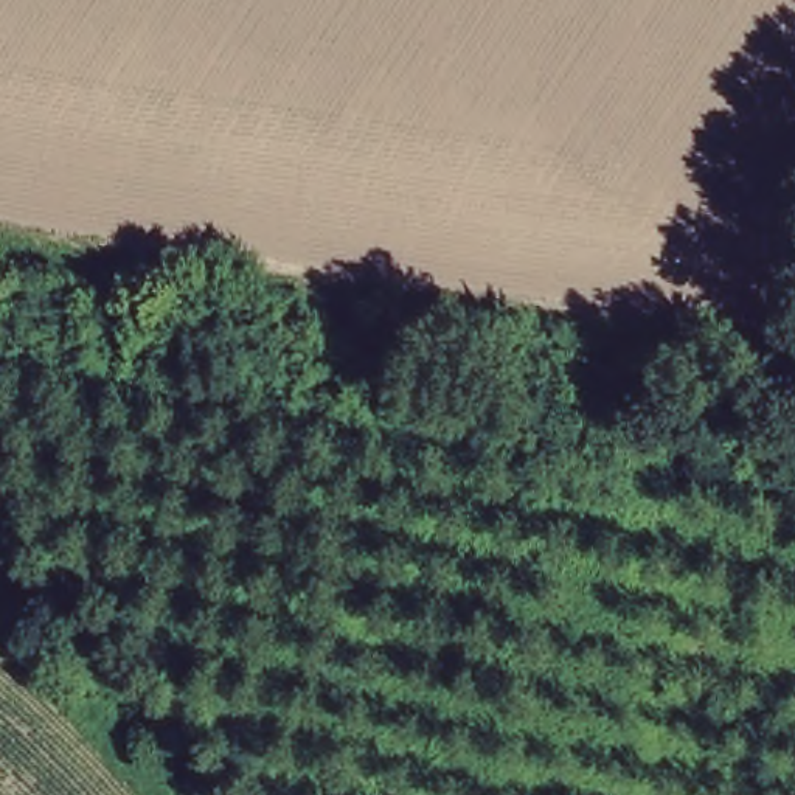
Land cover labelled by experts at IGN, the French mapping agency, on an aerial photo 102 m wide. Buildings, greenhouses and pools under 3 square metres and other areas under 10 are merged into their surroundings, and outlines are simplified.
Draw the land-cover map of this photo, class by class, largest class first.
<instances>
[{"label":"deciduous trees","instance_id":"1","mask_svg":"<svg viewBox=\"0 0 795 795\"><path fill-rule=\"evenodd\" d=\"M463 292L438 289L425 273H416V279L407 289H394L385 283L360 289L345 267H338L335 273H267L252 252H245L236 239L224 233L208 248H189L186 255L174 248V239L168 236L161 248V267H155L146 283H140L137 276L124 279L115 273V283L109 276H99L90 289L75 273L19 270L9 248L0 245V547L12 556L9 575L22 587L43 584L50 568H71L81 578L90 571L84 553L87 528L75 525L68 537H62L47 553L37 537L40 522L53 516L59 519L71 509L109 512L118 516V531H112L106 540V575L143 578V609L127 606L115 612V596L96 590L84 596L68 618L53 612L50 602L25 615L16 627L12 652L34 674L28 686L37 699L53 702L56 696H78L90 680H96L99 686L115 689V705L143 702L146 714L152 717H165L171 711V702L186 708L189 724H214L217 717L242 714L276 717L279 739L267 755H248L245 748L230 745L227 739L193 748L196 770L202 773L220 770L224 758L239 764V776L233 779V786L214 789L211 795H264L258 776H286L289 783L311 779L314 792L329 789L332 795H345L354 789L342 783V764H357L366 755L370 739L335 736L332 758H320L311 767L295 764V727L286 724L289 705H264L258 699L261 674L267 668H295L307 677L317 665L329 658L335 643L342 640L335 621L348 609L335 602V593L351 590L363 571L376 575L382 584L391 587L410 584L404 578V565L410 562V556L398 547H385L376 556L363 553L354 534L342 531L345 516L370 519L388 531H410L416 519L432 516V540L447 543L450 528H469V519L481 503H500L512 497L522 503L525 491L540 488L559 494L562 481H571L575 497L590 516L599 503H634L640 497L637 481L627 478H618L612 488L587 484V472L612 466L615 447H634L646 457L649 466H668L680 447L686 450L689 494L674 497V503L686 519H702L708 503L720 506L717 481H748L755 509L752 519H745V525L767 537L761 556H770L795 568V168L789 177V193L779 205L776 258L764 270L758 295V301L770 311V323L764 329L767 335L752 348L736 332V326L714 311L711 301L699 311L693 307L683 326H677L674 320H658L652 323V329L630 335L599 332L590 323H584L575 332L565 311H547L537 304H516L509 317L481 311L472 320L463 314ZM37 363H43V376L34 385L37 410L25 416L12 401L19 376L31 373ZM90 376H96L106 388L102 422L93 429L90 416L75 404L78 388ZM127 379L149 391L152 407L146 425L134 432L127 425V407L121 404V385ZM174 398L211 401L214 410L202 422V435H186L180 444H171V438L165 435ZM47 441H53L62 450L56 478L34 475V450ZM90 457H102L109 463V472L115 475L118 488H112L109 494L90 491ZM146 469L161 472L168 478L165 500L146 503L143 494L134 491V478ZM391 475H407V491H401L394 500H376L370 506L360 503L357 481ZM186 481L193 488H202L208 481V488L224 497L217 506L220 512L202 516L193 503H186ZM248 488L264 500H273V512L261 519L242 512L239 494ZM189 531H205L211 537V547L205 553V575L196 584V590L208 596V609L196 612V618L183 624L171 615L168 593L180 584V534ZM236 534L261 543L264 575L242 584V602L252 606L245 634L220 637V609L224 602H236V587L224 581L220 562L236 547ZM286 609L295 615L298 624L314 630V646L276 643V612ZM109 621L124 624V640L106 643L102 649L87 652L81 658L75 649V634H99L109 627ZM155 627L168 630L174 643L193 649V683L171 686L168 674L155 668V649L149 646ZM230 658L245 665V677L233 696L220 699L214 693L217 671ZM494 540L488 556H509L512 547L522 540L516 531V519H500L488 531ZM559 547H578V528H571L568 522L550 525V534H543V547L519 562L537 571V590L543 593L550 578L540 571V559L556 553ZM640 531L618 525L612 537H606V543L593 550V556H609L624 568L630 559H637L634 537ZM652 556L640 559V571L655 575V565L668 559L674 578L693 575L680 562L689 550V540H683L671 525H658L649 531ZM730 553H717L711 547L705 578L711 581V587H727ZM519 562L503 559L491 578H466L460 593L475 590L484 599L509 596V575ZM450 590L435 587L425 602V618L450 621ZM758 599H748L742 606V615H736L733 624L724 630V640L742 643L745 637L758 634ZM556 624L540 618L522 621L519 637L509 640L519 655H525L537 637H543ZM360 658L354 661V668L360 671V680L398 674L382 655L379 643H357ZM730 661H714L705 674L686 671V652L671 655L668 661V683L677 680L683 686L686 702H696L702 689L711 696L708 717L720 720L727 745L739 758L745 755L761 770V783L789 776L792 755H783V748L789 745V736L783 730L795 724V699H786L770 720L748 724L742 711L755 708L758 696L745 683L742 689L727 686ZM540 674L519 671L512 674L509 693L491 699V705L500 714H509L512 699L534 693V680ZM323 680L320 674L307 677L304 689H295L292 696V705L301 711L317 702ZM130 758L143 767L149 779H161L168 773L165 752L155 745L152 733H137L130 739ZM379 779V795H407L413 789L407 779L410 773L398 767L373 773Z\"/></svg>","mask_w":795,"mask_h":795},{"label":"plowed land","instance_id":"2","mask_svg":"<svg viewBox=\"0 0 795 795\"><path fill-rule=\"evenodd\" d=\"M795 168V0H0V224L19 227L31 239L34 252L43 242H62L75 255L84 248L109 245L112 236L127 224L143 230H161L168 236L174 239V248L186 255L189 248H208L224 233L236 239L245 252H252L267 273H335L338 267H345L360 289L385 283L394 289H407L416 279V273H425L438 289L463 292V314L472 320L481 311L509 317L516 304H537L547 311H565L575 332L584 323H590L599 332L630 335L652 329V323L658 320H674L677 326H683L693 307L699 311L711 301L714 311L736 326V332L752 348L767 335L764 329L770 323V311L758 301V295L764 270L776 258L779 205L789 193V177Z\"/></svg>","mask_w":795,"mask_h":795},{"label":"herbaceous vegetation","instance_id":"3","mask_svg":"<svg viewBox=\"0 0 795 795\"><path fill-rule=\"evenodd\" d=\"M168 236L161 230H143L127 224L112 236L109 245L84 248L75 255L62 242H43L34 252L31 239L19 227L0 224V245L9 248L19 270L75 273L90 289L99 276H109L115 283V273L124 279L137 276L140 283H146L155 267H161V248ZM43 376V363H37L31 373L19 376L12 401L25 416L37 410L34 385ZM106 388L96 376H90L78 388L75 404L90 416L93 429L102 422ZM121 404L127 407V425L134 432L146 425L152 407L149 391L127 379L121 385ZM214 410L211 401L174 398L165 435L171 438V444H180L186 435H202V422ZM62 450L53 441H47L34 450V475L56 478ZM618 478H627L637 481L640 497L634 503H599L590 516L575 497L571 481H562L559 494L540 488L525 491L522 503L512 497L500 503H481L469 519V528H450L447 543L432 540V516L416 519L410 531H388L370 519L345 516L342 531L354 534L363 553L376 556L385 547H398L410 556V562L404 565V578L410 584L391 587L382 584L376 575L363 571L351 590L335 593V602L348 609L335 621L342 640L335 643L329 658L317 665L307 677L320 674L323 680L317 702L301 711L292 705V696L295 689H304L307 677L295 668H267L261 674L258 699L264 705H289L286 724L295 727V764L311 767L320 758H332L335 736L370 739L366 755L357 764H342V783L354 789L345 795H379V779L373 773L398 767L410 773L407 779L413 789L407 795H795V724L783 730L789 736V745L783 748V755H792L789 776L761 783V770L745 755L739 758L727 745L720 720L708 717L711 696L702 689L696 702H686L683 686L677 680L668 683V661L671 655L686 652V671L705 674L714 661H730L727 686L742 689L745 683L758 696L755 708L742 711L748 724L770 720L786 699H795V568L770 556H761L767 537L745 525V519H752L755 509L748 481H717L720 506L708 503L702 519H686L674 503V497L689 494L686 450L680 447L668 466H649L646 457L634 447H615L612 466L587 472V484L612 488ZM500 519H516V531L522 540L512 547L509 556H488L494 540L488 531ZM568 522L571 528H578V547H559L556 553L540 559V571L550 578L543 593L537 590V571L519 562L543 547V534H550V525ZM618 525L640 531L634 537L637 559H630L624 568L609 556H593V550L606 543V537H612ZM658 525H671L683 540H689V550L680 562L693 575L674 578L668 559L655 565V575L640 571V559L652 556L649 531ZM711 547L717 553H730L727 587H711V581L705 578ZM503 559L519 562L509 575V596L484 599L475 590L460 593L466 578H491ZM435 587L450 590V621L425 618V602ZM748 599H758V634L745 637L742 643L724 640V630L733 624L736 615H742V606ZM540 618L556 624L543 637H537L525 655H519L509 640L519 637L522 621ZM357 643H379L382 655L398 674L360 680V671L354 668V661L360 658ZM519 671L540 674L534 680V693L512 699L509 714H500L491 705V699L509 693L512 674ZM90 491L109 494L112 488H118L115 475L109 472V463L102 457H90ZM134 491L143 494L146 503L165 500L168 478L161 472L146 469L134 478ZM401 491H407V475H391L357 481L360 503L370 506L376 500H394ZM186 503H193L202 516L220 512L217 506L224 497L208 488V481L202 488H193L186 481ZM242 512L261 519L273 512V500H264L248 488L239 494ZM75 525L87 528L84 553L90 571L81 578L71 568H50L43 584L22 587L9 575L12 556L0 547V665L19 686H28L34 674L12 652L16 627L25 615L50 602L53 612L68 618L84 596L96 590L115 596V612L127 606L143 609V578L106 575V540L112 531H118V516L109 512L71 509L59 519L53 516L40 522L37 537L47 553L62 537H68ZM180 584L168 593L171 615L183 624L196 618V612L208 609V596L196 590V584L205 575V553L211 547V537L205 531H189L180 534ZM224 581L236 587V602H224L220 609V637L245 634L252 606L242 602V584L264 575L261 543L236 534V547L220 562ZM276 643L314 646V630L298 624L295 615L286 609L276 612ZM124 640V624L109 621V627L99 634H75V649L81 658L87 652L102 649L106 643ZM149 646L155 649V668L168 674L171 686L193 683V649L174 643L168 630L155 627ZM245 677V665L230 658L217 671L214 693L220 699L233 696ZM115 689L99 686L96 680H90L78 696H56L53 702L59 714L75 724L84 742L102 755L106 767L130 789V795H211L214 789L233 786V779L239 776V764L224 758L220 770L202 773L196 770L193 748L227 739L230 745L245 748L248 755H267L279 739L276 717L242 714L217 717L214 724H189L186 708L171 702V711L165 717H152L146 714L143 702L115 705ZM137 733H152L155 745L165 752L168 773L161 779H149L143 767L130 758V739ZM264 795H332L329 789L314 792L311 779L289 783L286 776H258Z\"/></svg>","mask_w":795,"mask_h":795},{"label":"agricultural land","instance_id":"4","mask_svg":"<svg viewBox=\"0 0 795 795\"><path fill-rule=\"evenodd\" d=\"M0 795H130V789L106 767L102 755L84 742L75 724L59 714L53 702L37 699L28 686H19L0 665Z\"/></svg>","mask_w":795,"mask_h":795}]
</instances>
